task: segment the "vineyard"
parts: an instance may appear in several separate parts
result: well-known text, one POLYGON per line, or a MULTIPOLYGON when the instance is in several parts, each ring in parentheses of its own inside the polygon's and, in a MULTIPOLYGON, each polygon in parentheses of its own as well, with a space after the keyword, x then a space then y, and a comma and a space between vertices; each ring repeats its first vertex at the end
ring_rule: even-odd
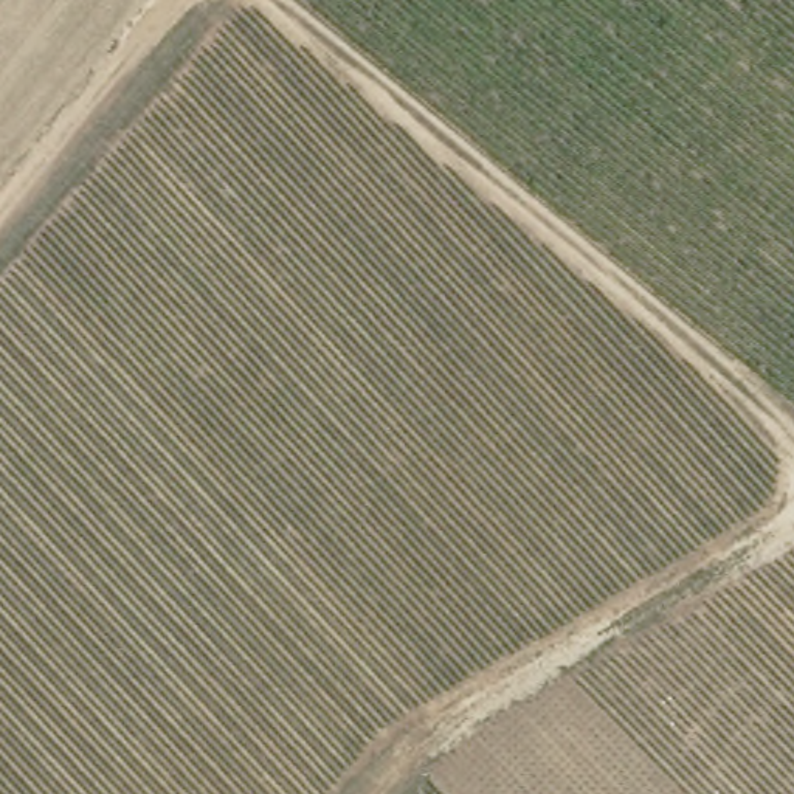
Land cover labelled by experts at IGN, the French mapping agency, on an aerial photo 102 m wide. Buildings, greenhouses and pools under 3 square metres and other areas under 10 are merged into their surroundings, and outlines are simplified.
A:
POLYGON ((332 785, 338 785, 341 772, 357 760, 363 744, 375 735, 375 729, 385 729, 388 723, 400 720, 406 707, 428 704, 440 692, 450 692, 468 676, 475 676, 478 670, 487 670, 493 661, 518 651, 533 639, 558 633, 577 617, 605 605, 611 596, 620 596, 630 586, 636 586, 642 577, 658 574, 682 555, 701 549, 707 540, 729 530, 735 521, 760 512, 778 481, 775 440, 766 428, 757 431, 747 419, 741 419, 741 413, 720 397, 720 391, 692 363, 679 360, 661 341, 661 335, 654 335, 645 323, 627 316, 596 282, 583 279, 546 242, 537 242, 518 220, 512 220, 493 202, 487 202, 465 177, 459 177, 453 167, 437 164, 400 124, 388 121, 360 93, 360 87, 341 84, 329 68, 319 65, 319 59, 307 47, 295 47, 261 12, 261 0, 254 0, 226 28, 214 50, 205 53, 202 65, 186 81, 183 96, 177 102, 167 102, 167 109, 161 109, 158 115, 152 115, 152 121, 112 158, 99 183, 93 183, 84 192, 84 199, 62 217, 62 223, 50 230, 50 236, 25 261, 22 273, 0 295, 0 794, 329 794, 332 785))
POLYGON ((636 605, 620 620, 614 620, 623 630, 620 636, 605 639, 574 664, 558 667, 558 673, 546 679, 537 692, 515 698, 512 704, 478 720, 471 735, 465 735, 456 747, 444 751, 447 757, 425 785, 425 794, 794 794, 794 549, 788 549, 782 558, 763 568, 747 564, 747 549, 738 552, 689 574, 679 586, 664 589, 661 596, 636 605))
POLYGON ((596 242, 614 264, 620 264, 645 288, 651 288, 667 307, 682 313, 698 332, 704 332, 729 357, 735 357, 757 378, 763 378, 766 388, 782 400, 782 409, 794 419, 794 0, 304 0, 323 22, 329 22, 347 43, 366 53, 385 74, 391 74, 431 112, 437 112, 444 121, 462 130, 530 195, 537 195, 546 208, 564 217, 574 230, 596 242))

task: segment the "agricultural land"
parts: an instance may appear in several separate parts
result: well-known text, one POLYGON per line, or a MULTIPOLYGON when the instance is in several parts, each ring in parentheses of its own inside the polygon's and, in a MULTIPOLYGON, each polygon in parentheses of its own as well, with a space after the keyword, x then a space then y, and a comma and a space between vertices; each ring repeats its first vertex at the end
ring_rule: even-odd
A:
POLYGON ((133 0, 0 0, 0 189, 28 161, 34 146, 53 130, 62 112, 71 109, 78 96, 90 87, 96 62, 118 50, 121 16, 130 9, 133 0))

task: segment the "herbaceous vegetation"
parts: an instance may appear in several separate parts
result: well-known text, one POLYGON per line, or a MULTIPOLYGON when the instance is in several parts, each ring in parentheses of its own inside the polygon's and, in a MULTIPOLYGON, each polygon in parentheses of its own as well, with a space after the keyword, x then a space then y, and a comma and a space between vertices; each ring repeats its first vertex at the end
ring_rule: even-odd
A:
POLYGON ((493 661, 487 670, 478 670, 475 676, 468 676, 450 692, 440 692, 428 704, 406 707, 400 720, 388 723, 385 729, 375 729, 375 735, 363 744, 357 760, 341 772, 338 785, 332 785, 329 794, 425 794, 425 785, 447 757, 444 751, 456 747, 465 735, 471 735, 478 720, 512 704, 515 698, 537 692, 546 679, 558 673, 558 667, 574 664, 605 639, 620 636, 623 630, 614 620, 620 620, 636 605, 661 596, 664 589, 679 586, 689 574, 738 552, 732 540, 751 537, 757 527, 785 512, 788 490, 778 481, 760 512, 735 521, 729 530, 707 540, 701 549, 682 555, 658 574, 642 577, 636 586, 630 586, 620 596, 611 596, 605 605, 577 617, 558 633, 533 639, 518 651, 493 661))
POLYGON ((62 223, 62 217, 84 199, 84 192, 93 183, 99 183, 112 158, 152 121, 152 115, 158 115, 161 109, 167 109, 167 102, 177 102, 183 96, 186 81, 202 65, 205 53, 214 50, 226 28, 254 0, 180 0, 186 6, 186 16, 112 90, 109 102, 90 115, 90 121, 59 155, 34 199, 28 199, 22 211, 0 230, 0 295, 22 273, 25 261, 50 236, 50 230, 62 223))

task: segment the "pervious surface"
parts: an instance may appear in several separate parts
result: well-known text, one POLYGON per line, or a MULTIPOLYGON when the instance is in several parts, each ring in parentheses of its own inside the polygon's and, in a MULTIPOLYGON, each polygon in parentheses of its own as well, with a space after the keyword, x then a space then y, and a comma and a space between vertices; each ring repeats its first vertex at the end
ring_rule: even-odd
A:
POLYGON ((465 177, 487 202, 493 202, 512 220, 518 220, 537 242, 546 242, 583 279, 596 282, 627 316, 645 323, 654 335, 661 335, 661 341, 679 360, 692 363, 720 391, 720 397, 741 413, 741 419, 747 419, 757 431, 766 428, 775 440, 778 481, 788 490, 785 512, 757 527, 751 537, 732 540, 738 552, 747 549, 747 564, 763 568, 782 558, 788 549, 794 549, 794 419, 782 409, 782 400, 766 388, 763 378, 757 378, 735 357, 729 357, 704 332, 698 332, 682 313, 667 307, 651 288, 645 288, 620 264, 614 264, 596 242, 574 230, 564 217, 546 208, 537 195, 530 195, 462 130, 444 121, 437 112, 431 112, 391 74, 385 74, 366 53, 347 43, 329 22, 323 22, 304 0, 261 0, 261 12, 295 47, 307 47, 319 59, 319 65, 329 68, 341 84, 360 87, 360 93, 388 121, 400 124, 437 164, 453 167, 459 177, 465 177))
POLYGON ((71 109, 62 112, 53 130, 34 146, 28 161, 0 189, 0 230, 22 211, 28 199, 34 199, 59 155, 90 121, 90 115, 109 102, 112 90, 186 16, 186 6, 180 0, 133 0, 130 9, 121 16, 118 50, 96 62, 90 87, 78 96, 71 109))

